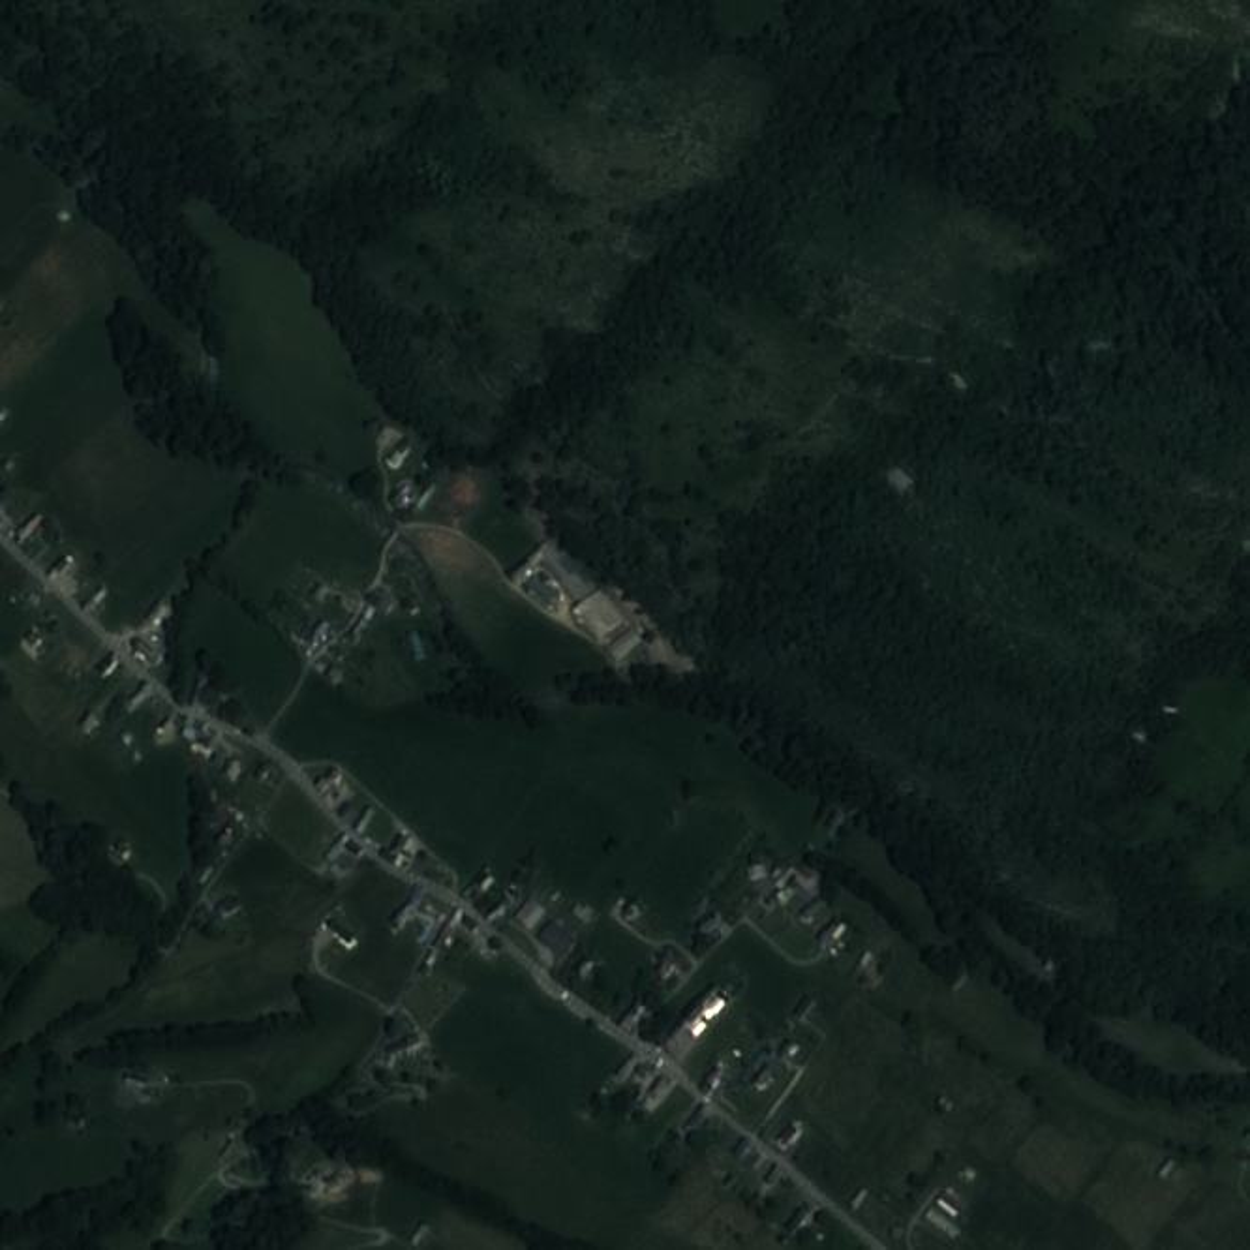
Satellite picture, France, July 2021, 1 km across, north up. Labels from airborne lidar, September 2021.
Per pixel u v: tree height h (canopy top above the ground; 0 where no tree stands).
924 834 25
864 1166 0
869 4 16
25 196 0
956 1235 7
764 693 20
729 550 12
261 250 0
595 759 0
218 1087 0
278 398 0
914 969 0
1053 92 10
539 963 0
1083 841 8
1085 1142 0
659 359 11
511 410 8
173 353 12
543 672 0
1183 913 20
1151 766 17
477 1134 0
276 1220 22
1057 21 0
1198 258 8
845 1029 0
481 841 0
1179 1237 0
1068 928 9
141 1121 0
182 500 0
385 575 0
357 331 11
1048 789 6
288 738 0
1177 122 10
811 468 17
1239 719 0
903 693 8
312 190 8
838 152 10
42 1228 16
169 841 0
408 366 10
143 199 25
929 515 6
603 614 0
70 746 0
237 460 17
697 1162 0
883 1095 0
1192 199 23
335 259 11
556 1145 0
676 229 17
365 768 0
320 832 0
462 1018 0
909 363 6
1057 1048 15
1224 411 12
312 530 0
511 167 11
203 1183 0
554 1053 0
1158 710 14
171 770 0
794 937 0
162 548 0
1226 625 9
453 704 20
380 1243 0
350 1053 0
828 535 17
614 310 14
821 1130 0
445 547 0
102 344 0
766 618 16
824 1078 0
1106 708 9
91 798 0
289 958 0
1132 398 6
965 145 21
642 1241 0
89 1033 0
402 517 8
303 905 0
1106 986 9
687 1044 0
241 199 16
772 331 0
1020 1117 0
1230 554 10
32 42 17
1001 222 7
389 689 0
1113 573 10
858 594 11
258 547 0
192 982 0
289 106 6
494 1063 0
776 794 0
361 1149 22
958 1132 0
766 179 17
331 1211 0
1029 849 8
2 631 0
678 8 14
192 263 24
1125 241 28
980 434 6
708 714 21
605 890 0
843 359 0
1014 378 11
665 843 0
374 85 11
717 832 0
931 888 26
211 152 12
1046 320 11
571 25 8
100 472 0
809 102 22
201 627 0
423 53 10
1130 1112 0
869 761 9
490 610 0
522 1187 0
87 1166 0
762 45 19
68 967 0
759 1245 0
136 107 12
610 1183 0
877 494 7
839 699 10
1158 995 15
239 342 0
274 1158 25
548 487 12
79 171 16
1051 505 0
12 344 0
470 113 7
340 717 0
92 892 17
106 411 0
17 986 15
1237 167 16
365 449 0
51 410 0
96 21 7
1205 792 0
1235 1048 22
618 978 0
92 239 0
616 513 7
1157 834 0
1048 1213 0
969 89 22
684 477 0
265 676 0
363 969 0
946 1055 0
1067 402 10
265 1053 0
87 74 8
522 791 0
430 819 0
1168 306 21
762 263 10
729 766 0
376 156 14
